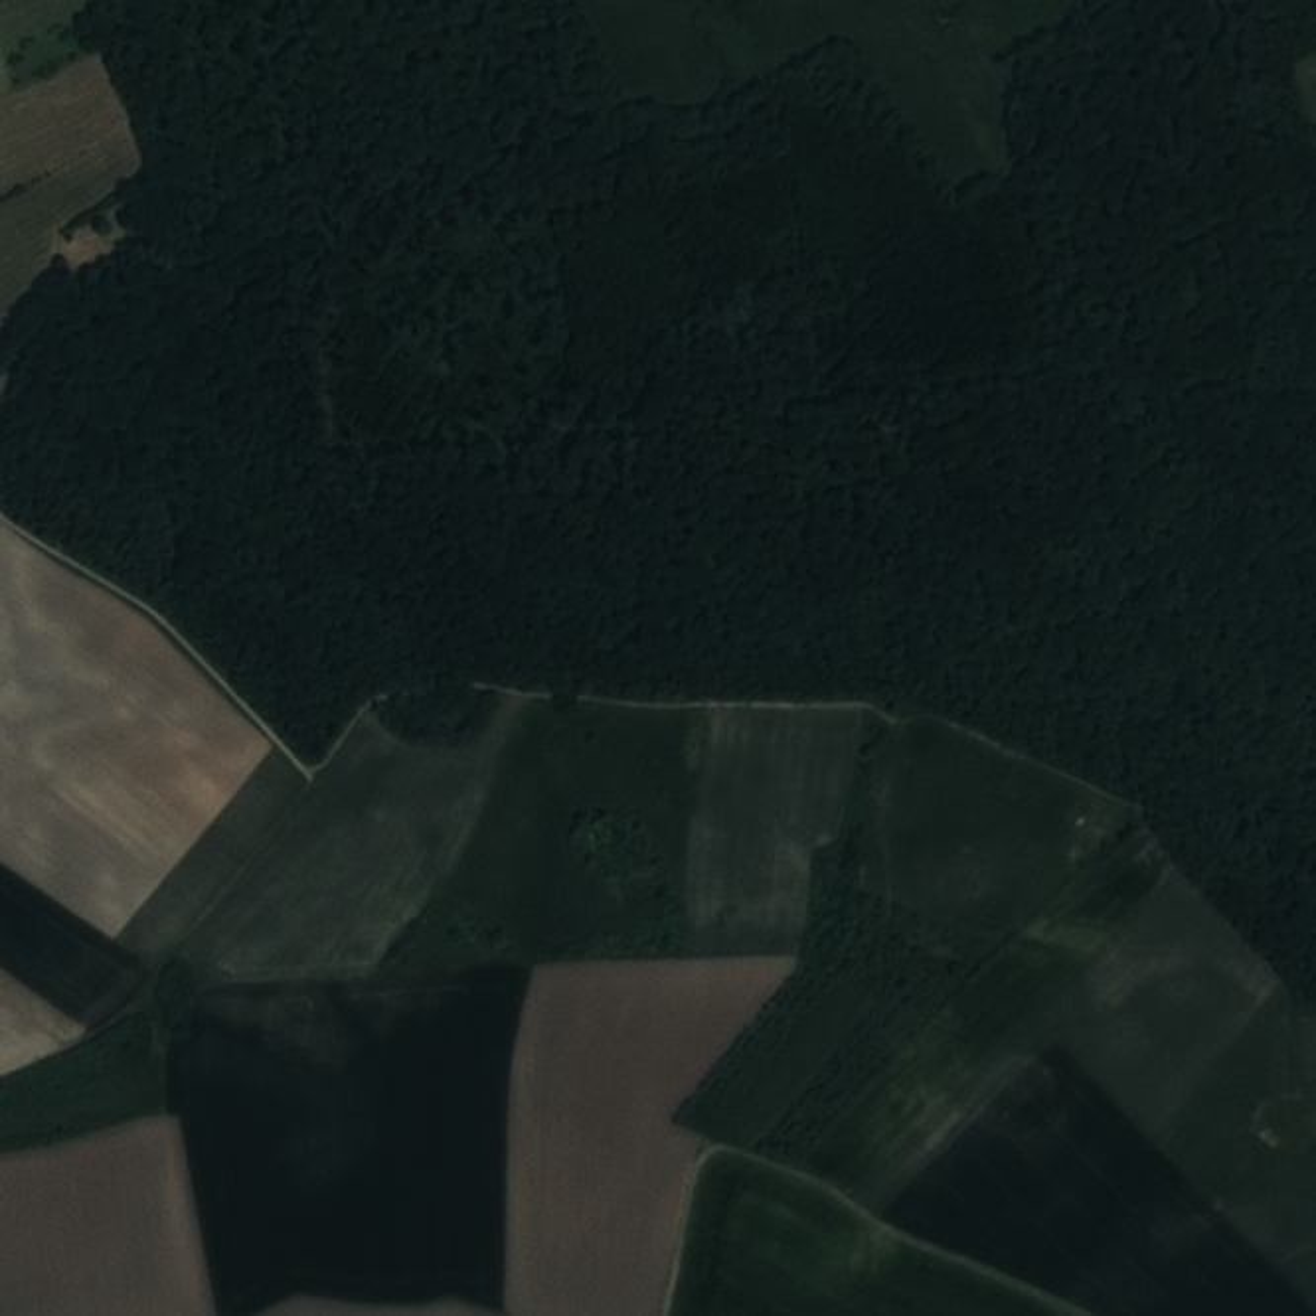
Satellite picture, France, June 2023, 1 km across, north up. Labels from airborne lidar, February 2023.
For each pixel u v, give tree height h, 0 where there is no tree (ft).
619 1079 0
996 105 0
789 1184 0
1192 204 80
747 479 65
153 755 0
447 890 0
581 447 94
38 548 0
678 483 80
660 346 80
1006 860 0
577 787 0
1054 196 68
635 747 0
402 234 103
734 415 80
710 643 70
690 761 0
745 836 0
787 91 62
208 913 0
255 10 74
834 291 39
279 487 74
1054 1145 0
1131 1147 0
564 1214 0
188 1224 0
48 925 0
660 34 0
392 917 0
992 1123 0
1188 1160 0
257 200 76
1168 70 87
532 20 62
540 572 71
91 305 82
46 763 0
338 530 75
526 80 75
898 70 0
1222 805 70
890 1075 0
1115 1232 0
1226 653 76
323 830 0
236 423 67
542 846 0
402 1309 0
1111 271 78
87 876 0
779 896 0
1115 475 74
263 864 0
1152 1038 0
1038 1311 0
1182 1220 0
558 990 0
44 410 67
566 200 97
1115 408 81
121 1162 0
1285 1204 0
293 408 76
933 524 79
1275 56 75
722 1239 0
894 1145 0
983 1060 0
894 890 0
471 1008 0
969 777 0
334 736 43
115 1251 0
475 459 82
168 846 0
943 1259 0
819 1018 0
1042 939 0
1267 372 68
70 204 0
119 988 0
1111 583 76
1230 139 93
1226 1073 0
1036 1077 0
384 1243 0
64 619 0
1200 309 71
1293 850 85
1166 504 63
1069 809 0
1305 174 83
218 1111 0
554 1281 0
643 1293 0
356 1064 0
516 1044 0
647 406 99
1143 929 0
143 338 86
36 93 0
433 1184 0
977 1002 0
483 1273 0
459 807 0
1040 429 79
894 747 0
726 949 0
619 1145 0
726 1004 0
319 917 0
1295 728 70
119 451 72
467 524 78
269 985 0
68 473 64
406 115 63
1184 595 67
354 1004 0
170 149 62
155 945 0
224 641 48
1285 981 42
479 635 74
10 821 0
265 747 0
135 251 69
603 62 41
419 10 59
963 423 91
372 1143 0
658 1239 0
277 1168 0
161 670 0
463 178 104
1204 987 0
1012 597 82
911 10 0
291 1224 0
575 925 0
